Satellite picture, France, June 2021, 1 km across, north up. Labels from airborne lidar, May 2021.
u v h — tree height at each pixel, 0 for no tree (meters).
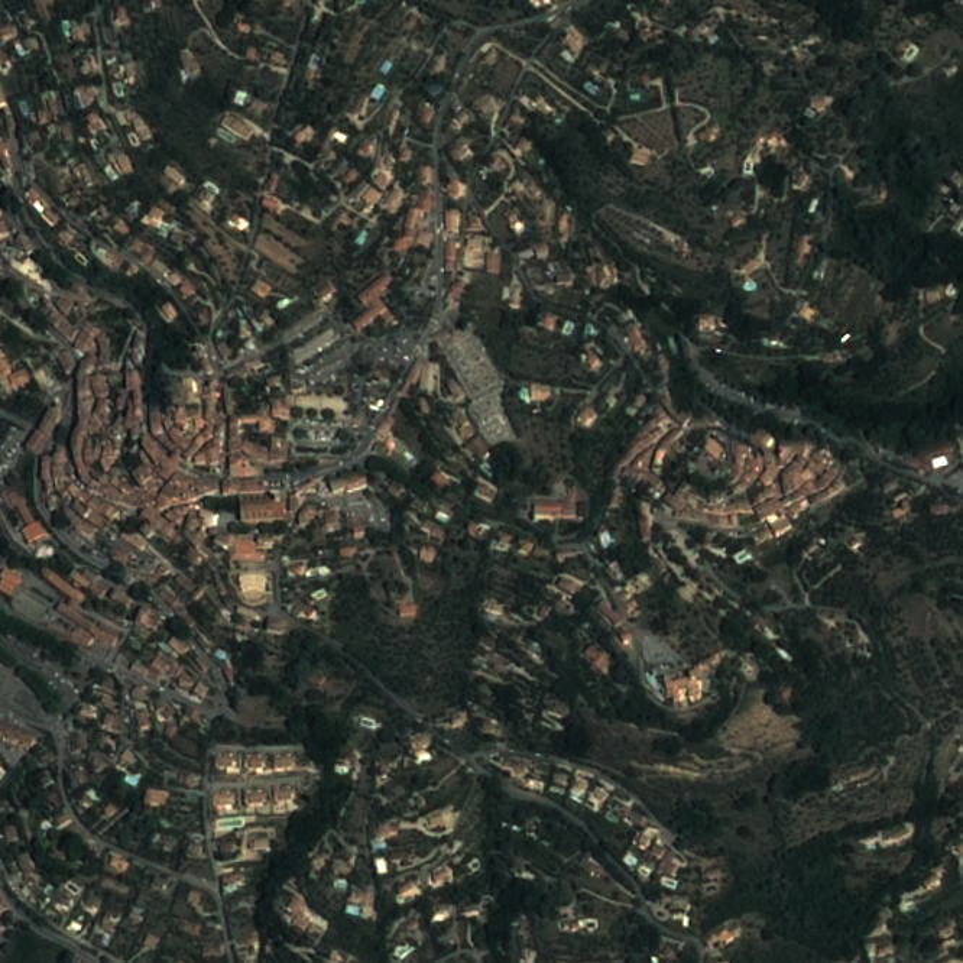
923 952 14
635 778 7
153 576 0
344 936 6
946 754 0
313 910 6
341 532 7
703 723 9
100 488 0
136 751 6
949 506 7
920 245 25
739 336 17
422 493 13
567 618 11
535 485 7
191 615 6
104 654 0
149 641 7
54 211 9
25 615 0
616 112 10
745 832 15
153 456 0
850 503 7
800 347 9
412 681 6
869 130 17
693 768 0
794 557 12
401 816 7
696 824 14
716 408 7
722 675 10
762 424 9
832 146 6
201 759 7
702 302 9
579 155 8
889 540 6
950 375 9
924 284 18
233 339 8
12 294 18
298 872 18
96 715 7
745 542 6
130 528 12
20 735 0
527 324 6
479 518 13
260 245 0
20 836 9
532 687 7
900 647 7
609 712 10
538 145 10
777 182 13
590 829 9
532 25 6
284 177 6
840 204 9
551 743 5
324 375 0
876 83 21
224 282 7
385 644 6
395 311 13
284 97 8
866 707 10
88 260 6
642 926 6
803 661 12
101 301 7
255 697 10
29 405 7
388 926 6
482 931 9
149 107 0
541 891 15
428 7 12
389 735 11
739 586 8
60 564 11
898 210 14
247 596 0
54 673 0
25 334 0
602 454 11
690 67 6
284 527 11
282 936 10
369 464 15
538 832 7
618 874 9
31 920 11
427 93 9
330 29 12
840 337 6
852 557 7
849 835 16
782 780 15
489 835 8
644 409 8
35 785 7
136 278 7
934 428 17
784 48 6
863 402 8
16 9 7
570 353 6
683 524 6
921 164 23
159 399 9
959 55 8
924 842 11
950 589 7
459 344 0
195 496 0
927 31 7
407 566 10
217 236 5
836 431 14
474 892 6
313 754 10
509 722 13
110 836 7
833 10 19
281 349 7
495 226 0
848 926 11
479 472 6
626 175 6
